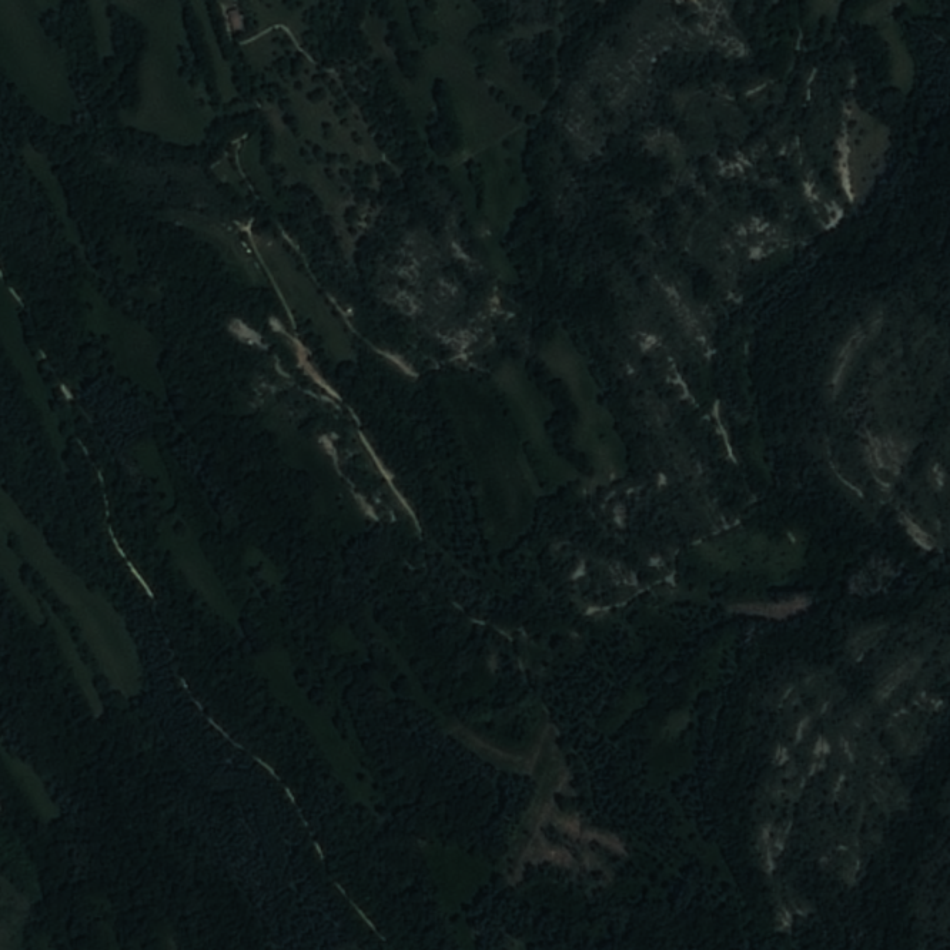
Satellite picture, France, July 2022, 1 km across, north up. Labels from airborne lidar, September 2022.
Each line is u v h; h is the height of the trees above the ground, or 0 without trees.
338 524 6
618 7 12
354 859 10
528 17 8
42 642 7
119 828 16
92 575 17
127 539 13
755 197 10
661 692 14
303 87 12
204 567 0
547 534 9
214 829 16
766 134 9
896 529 10
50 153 21
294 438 0
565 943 16
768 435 11
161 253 17
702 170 10
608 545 10
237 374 12
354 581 18
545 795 0
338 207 0
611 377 10
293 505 11
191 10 16
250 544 6
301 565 15
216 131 17
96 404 18
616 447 0
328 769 15
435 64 0
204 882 12
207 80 17
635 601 8
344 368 11
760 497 8
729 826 14
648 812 15
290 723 14
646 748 22
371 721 22
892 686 0
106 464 13
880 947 11
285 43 8
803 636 15
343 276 7
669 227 9
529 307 10
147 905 12
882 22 0
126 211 12
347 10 12
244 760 20
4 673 10
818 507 15
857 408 7
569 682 14
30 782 0
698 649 15
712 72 9
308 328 10
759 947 17
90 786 10
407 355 9
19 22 0
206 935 22
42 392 0
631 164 14
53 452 17
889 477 6
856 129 9
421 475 12
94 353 23
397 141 9
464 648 8
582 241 11
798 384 12
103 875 10
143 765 16
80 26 16
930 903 7
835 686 7
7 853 7
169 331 12
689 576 17
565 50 11
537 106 0
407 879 21
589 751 13
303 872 21
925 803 14
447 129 15
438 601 11
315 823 19
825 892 12
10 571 0
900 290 8
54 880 12
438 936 20
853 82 0
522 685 18
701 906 15
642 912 17
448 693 9
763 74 13
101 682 13
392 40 16
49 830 9
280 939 17
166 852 13
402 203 12
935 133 18
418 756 23
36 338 15
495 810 11
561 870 7
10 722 12
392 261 7
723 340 12
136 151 8
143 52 16
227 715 12
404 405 9
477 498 15
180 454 24
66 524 16
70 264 12
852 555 14
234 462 15
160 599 14
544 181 9
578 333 17
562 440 14
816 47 14
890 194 19
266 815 23
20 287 11
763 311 10
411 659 8
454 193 9
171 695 16
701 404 6
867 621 13
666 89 7
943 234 10
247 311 5
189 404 20
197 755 21
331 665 15
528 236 18
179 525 8
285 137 0
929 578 7
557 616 8
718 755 15
